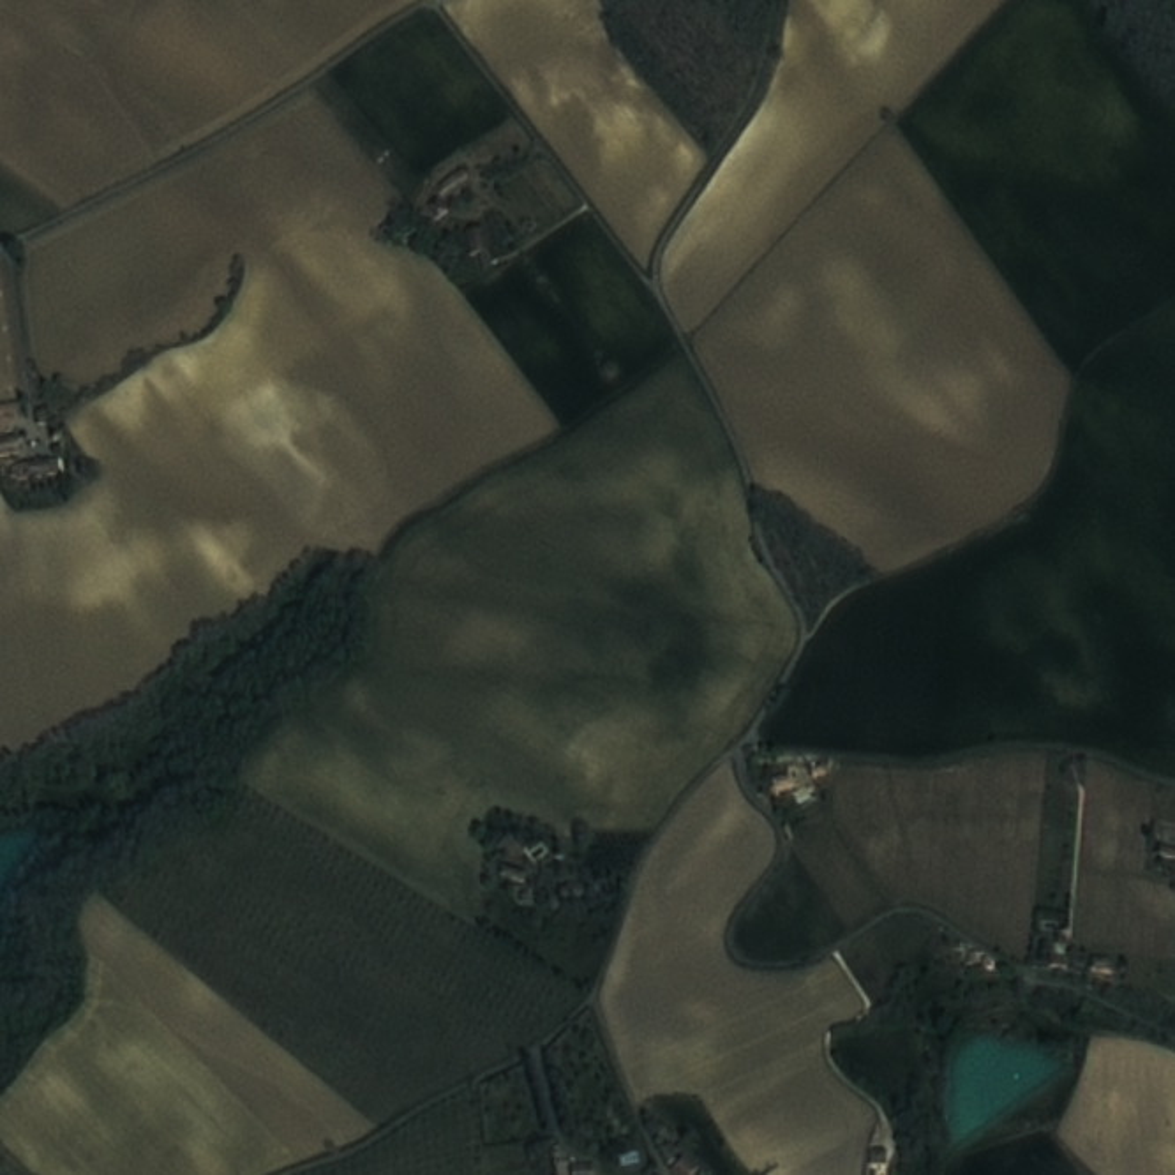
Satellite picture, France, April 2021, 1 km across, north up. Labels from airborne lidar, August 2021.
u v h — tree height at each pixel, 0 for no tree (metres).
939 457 0
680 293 0
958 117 0
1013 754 0
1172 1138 0
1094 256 0
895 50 0
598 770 0
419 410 0
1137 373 0
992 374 0
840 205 0
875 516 0
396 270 0
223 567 0
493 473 0
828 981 0
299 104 0
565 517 0
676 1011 0
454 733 0
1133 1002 18
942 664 0
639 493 0
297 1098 0
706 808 0
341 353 0
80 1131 0
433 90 0
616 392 0
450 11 0
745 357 0
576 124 0
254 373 0
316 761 0
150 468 0
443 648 0
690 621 0
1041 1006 17
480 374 0
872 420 0
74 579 0
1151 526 0
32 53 0
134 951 0
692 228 0
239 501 0
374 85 0
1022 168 0
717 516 0
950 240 0
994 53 0
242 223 0
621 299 0
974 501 0
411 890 9
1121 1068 0
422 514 0
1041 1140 0
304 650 30
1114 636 0
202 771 25
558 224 0
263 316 0
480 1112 7
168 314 0
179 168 0
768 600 0
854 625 0
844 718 0
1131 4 18
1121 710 0
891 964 0
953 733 0
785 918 0
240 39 0
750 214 0
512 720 0
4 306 0
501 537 0
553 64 0
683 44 19
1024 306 0
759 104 0
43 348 0
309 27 0
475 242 0
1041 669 0
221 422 0
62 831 16
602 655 0
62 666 0
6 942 15
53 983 30
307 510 0
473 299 0
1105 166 0
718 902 0
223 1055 0
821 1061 0
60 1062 0
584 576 0
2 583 0
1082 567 0
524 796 0
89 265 0
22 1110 0
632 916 0
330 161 0
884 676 0
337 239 0
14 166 0
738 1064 0
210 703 24
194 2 0
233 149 0
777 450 0
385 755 0
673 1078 0
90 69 0
